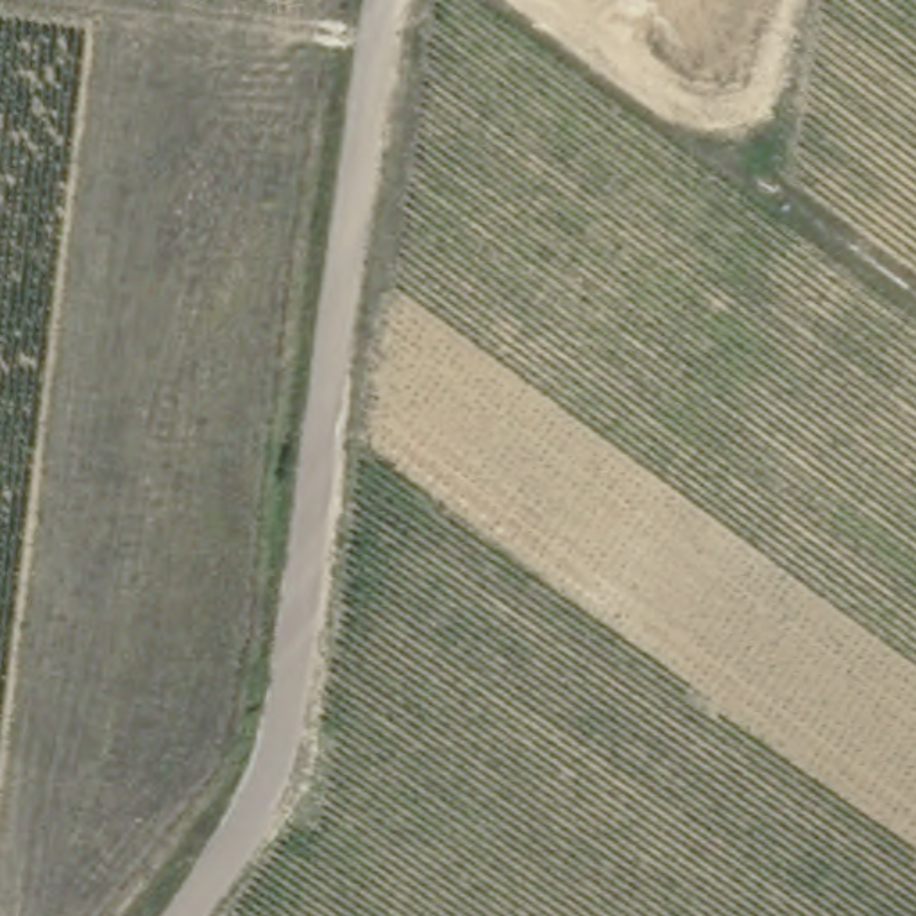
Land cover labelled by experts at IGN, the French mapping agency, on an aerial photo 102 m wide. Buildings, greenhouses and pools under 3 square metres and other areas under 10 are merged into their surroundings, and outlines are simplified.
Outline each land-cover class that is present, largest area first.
<instances>
[{"label":"vineyard","instance_id":"1","mask_svg":"<svg viewBox=\"0 0 916 916\"><path fill-rule=\"evenodd\" d=\"M329 683L318 730V769L290 827L261 848V859L233 880L225 898H218V905L208 916H916V0H805L794 14L787 82L776 93L773 115L748 136H723L658 118L630 93L612 86L605 75H598L590 64H583L576 54H569L558 39L533 29L530 18L512 11L505 0H411L401 50V82L390 111V143L383 150L379 190L369 222L365 276L351 344L347 426L344 512L336 530L333 598L326 608ZM97 21L86 18L82 29H68L0 18V809L11 769V726L18 708L21 640L43 505V462L50 426L47 415L54 408V386L47 379L57 376L64 329L75 193L82 182V154L75 147L86 143L89 125Z\"/></svg>","mask_w":916,"mask_h":916},{"label":"herbaceous vegetation","instance_id":"2","mask_svg":"<svg viewBox=\"0 0 916 916\"><path fill-rule=\"evenodd\" d=\"M365 0H0V18L68 29H82L86 18L97 21L89 125L86 143L75 147L82 154V182L75 193L64 329L57 376L47 379L54 386V408L47 415L50 426L43 462V505L21 640L18 708L11 726V769L0 809V916H161L186 884L197 855L218 830L229 798L240 787L258 734V716L265 708L279 583L290 544L293 469L308 408L318 297L336 200L347 89L354 68V50L340 43L344 25L361 21Z\"/></svg>","mask_w":916,"mask_h":916},{"label":"impervious surface","instance_id":"3","mask_svg":"<svg viewBox=\"0 0 916 916\"><path fill-rule=\"evenodd\" d=\"M411 0H365L361 21L344 25L340 43L354 50V68L347 89L336 200L318 297L308 408L293 469L290 544L279 583L265 708L258 716V734L240 787L229 798L218 830L197 855L186 884L161 916H208L218 905V898H225L233 880L261 859V848L290 827L318 769V730L329 683L326 608L333 598L336 530L322 515L333 483V422L347 426L351 344L365 276L369 222L379 190L383 150L390 143V111L401 82V50Z\"/></svg>","mask_w":916,"mask_h":916},{"label":"pervious surface","instance_id":"4","mask_svg":"<svg viewBox=\"0 0 916 916\"><path fill-rule=\"evenodd\" d=\"M512 11L530 18L533 29L558 39L569 54H576L583 64H590L598 75H605L612 86L630 93L658 118L723 136H748L773 115L776 93L787 82L794 14L805 0H505ZM347 426L333 422V483L322 515L336 530L344 512Z\"/></svg>","mask_w":916,"mask_h":916}]
</instances>
